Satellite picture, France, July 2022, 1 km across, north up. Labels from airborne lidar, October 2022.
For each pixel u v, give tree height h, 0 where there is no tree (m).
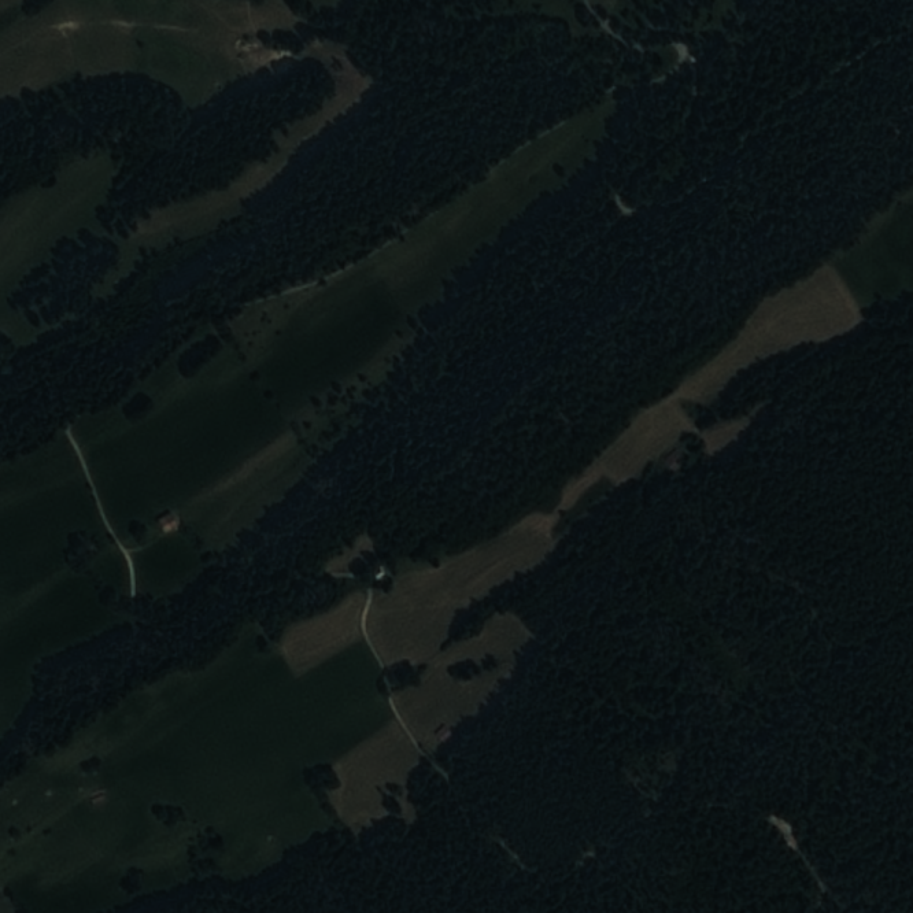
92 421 0
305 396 0
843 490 19
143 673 24
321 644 0
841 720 17
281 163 0
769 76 14
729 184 32
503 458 17
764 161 19
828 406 21
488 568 0
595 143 0
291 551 29
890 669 17
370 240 9
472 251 0
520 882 21
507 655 0
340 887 21
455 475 24
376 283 0
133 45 0
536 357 22
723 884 19
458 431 18
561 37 12
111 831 0
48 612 0
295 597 24
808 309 0
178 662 17
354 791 0
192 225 0
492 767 17
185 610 23
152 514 0
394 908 18
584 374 23
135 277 12
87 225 0
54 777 0
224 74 0
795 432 21
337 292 0
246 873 0
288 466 0
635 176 30
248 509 0
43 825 0
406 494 14
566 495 0
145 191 30
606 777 19
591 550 21
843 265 0
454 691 0
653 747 19
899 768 26
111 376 16
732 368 0
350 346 0
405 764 0
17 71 0
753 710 22
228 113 26
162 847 0
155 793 0
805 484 24
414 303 0
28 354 17
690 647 25
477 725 18
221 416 0
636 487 14
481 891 18
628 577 28
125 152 14
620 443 0
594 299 16
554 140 0
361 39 28
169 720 0
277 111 27
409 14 29
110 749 0
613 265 25
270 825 0
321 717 0
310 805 0
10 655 0
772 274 26
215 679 0
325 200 31
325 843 16
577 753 22
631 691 14
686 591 24
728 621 17
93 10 0
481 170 23
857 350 25
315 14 23
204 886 20
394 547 14
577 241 28
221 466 0
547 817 13
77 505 0
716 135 30
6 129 26
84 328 14
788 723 23
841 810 24
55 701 22
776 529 24
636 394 18
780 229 27
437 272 0
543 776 18
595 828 15
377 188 31
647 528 18
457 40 29
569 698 21
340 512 29
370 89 0
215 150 29
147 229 0
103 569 0
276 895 24
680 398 0
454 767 10
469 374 20
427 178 22
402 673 21
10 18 0
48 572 0
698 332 23
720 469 23
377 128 27
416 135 33
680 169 0
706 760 29
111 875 0
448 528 19
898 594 18
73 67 0
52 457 0
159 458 0
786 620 17
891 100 19
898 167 25
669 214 38
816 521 20
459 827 21
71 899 0
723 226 12
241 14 0
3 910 0
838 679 22
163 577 0
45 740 15
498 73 20
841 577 24
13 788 0
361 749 0
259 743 0
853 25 13
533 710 17
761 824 14
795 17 6
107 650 20
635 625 26
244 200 0
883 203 17
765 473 19
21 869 0
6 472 0
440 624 0
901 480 21
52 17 0
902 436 22
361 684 0
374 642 0
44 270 12
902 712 19
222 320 15
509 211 0
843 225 24
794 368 24
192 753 0
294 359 0
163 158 34
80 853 0
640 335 14
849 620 20
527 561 0
